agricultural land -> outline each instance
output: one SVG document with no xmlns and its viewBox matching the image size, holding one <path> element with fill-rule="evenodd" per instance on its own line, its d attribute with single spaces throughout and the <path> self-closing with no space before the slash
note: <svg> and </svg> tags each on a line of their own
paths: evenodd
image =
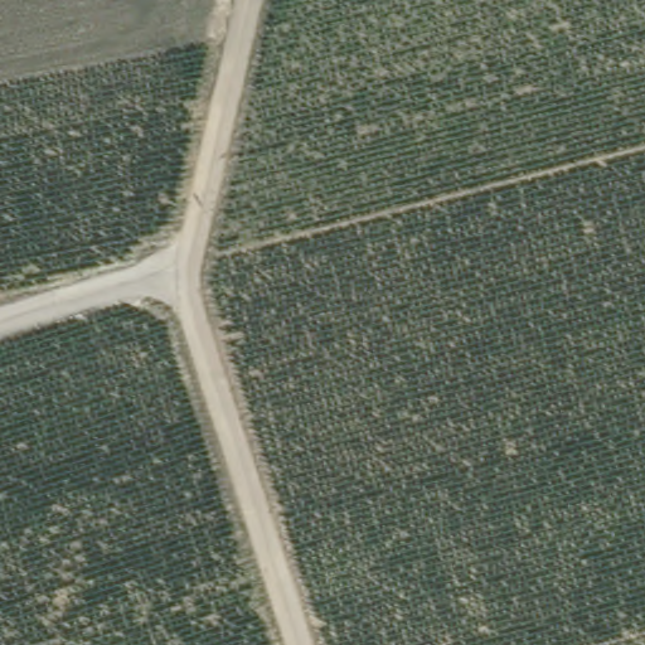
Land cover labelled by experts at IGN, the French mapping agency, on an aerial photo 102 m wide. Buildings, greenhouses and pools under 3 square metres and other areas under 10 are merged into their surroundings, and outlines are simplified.
<svg viewBox="0 0 645 645">
<path fill-rule="evenodd" d="M 0 0 L 0 83 L 108 66 L 126 58 L 161 55 L 169 48 L 207 40 L 207 25 L 214 10 L 214 0 Z"/>
</svg>

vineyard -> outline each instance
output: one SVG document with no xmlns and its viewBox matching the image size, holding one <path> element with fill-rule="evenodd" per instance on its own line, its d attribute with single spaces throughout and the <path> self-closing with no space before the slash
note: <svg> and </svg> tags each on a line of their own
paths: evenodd
<svg viewBox="0 0 645 645">
<path fill-rule="evenodd" d="M 66 317 L 58 323 L 38 325 L 0 338 L 0 645 L 270 645 L 265 622 L 249 607 L 252 582 L 232 587 L 232 579 L 237 577 L 239 567 L 234 554 L 239 544 L 232 534 L 229 511 L 222 501 L 219 474 L 209 461 L 202 426 L 194 416 L 186 385 L 176 368 L 166 323 L 156 320 L 151 312 L 139 310 L 134 305 L 111 305 L 101 310 L 88 310 L 83 320 Z"/>
<path fill-rule="evenodd" d="M 186 199 L 179 194 L 179 186 L 184 181 L 184 161 L 189 149 L 199 151 L 219 66 L 224 58 L 224 43 L 207 40 L 169 48 L 161 55 L 126 58 L 108 66 L 0 83 L 0 290 L 45 285 L 55 275 L 81 272 L 98 265 L 111 265 L 116 260 L 126 260 L 131 247 L 141 242 L 141 237 L 156 234 L 161 227 L 166 227 L 174 212 L 186 212 Z"/>
<path fill-rule="evenodd" d="M 267 464 L 267 474 L 277 494 L 277 501 L 282 506 L 297 574 L 307 590 L 310 607 L 323 620 L 320 637 L 325 645 L 645 645 L 645 0 L 265 0 L 257 38 L 249 53 L 242 98 L 237 106 L 237 123 L 227 151 L 222 197 L 204 247 L 202 282 L 209 282 L 219 317 L 229 320 L 224 333 L 244 335 L 244 340 L 229 340 L 227 353 L 237 370 L 237 380 L 242 385 L 252 416 L 257 446 Z"/>
</svg>

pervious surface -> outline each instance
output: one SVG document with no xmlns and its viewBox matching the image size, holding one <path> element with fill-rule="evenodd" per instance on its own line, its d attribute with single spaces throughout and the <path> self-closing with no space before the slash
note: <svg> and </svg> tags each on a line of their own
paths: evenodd
<svg viewBox="0 0 645 645">
<path fill-rule="evenodd" d="M 161 227 L 156 234 L 141 237 L 141 242 L 131 247 L 126 260 L 116 260 L 111 265 L 98 265 L 81 272 L 55 275 L 45 285 L 0 290 L 0 338 L 38 325 L 58 323 L 66 317 L 83 320 L 88 310 L 101 310 L 111 305 L 134 305 L 139 310 L 151 312 L 156 320 L 166 323 L 176 368 L 186 385 L 194 416 L 202 426 L 209 461 L 219 474 L 222 501 L 229 511 L 232 534 L 239 544 L 234 554 L 239 567 L 237 577 L 232 579 L 232 587 L 252 582 L 249 607 L 265 622 L 270 645 L 325 645 L 320 637 L 323 620 L 310 607 L 307 590 L 297 574 L 282 506 L 277 501 L 277 494 L 267 474 L 267 464 L 257 446 L 252 416 L 242 385 L 237 380 L 237 370 L 227 353 L 229 340 L 244 340 L 244 335 L 224 333 L 229 320 L 219 317 L 209 282 L 202 282 L 204 247 L 222 197 L 227 151 L 237 123 L 237 106 L 242 98 L 249 53 L 257 38 L 265 0 L 214 0 L 214 10 L 207 25 L 207 40 L 224 43 L 224 58 L 219 66 L 199 151 L 189 149 L 184 161 L 184 181 L 179 186 L 179 194 L 186 199 L 186 212 L 174 212 L 166 227 Z"/>
</svg>

